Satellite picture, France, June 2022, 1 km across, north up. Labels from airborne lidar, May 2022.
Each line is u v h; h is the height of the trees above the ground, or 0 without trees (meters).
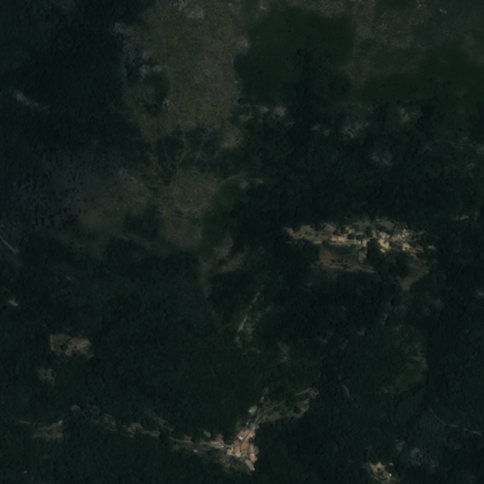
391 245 9
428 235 10
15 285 10
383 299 25
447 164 10
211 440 8
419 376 0
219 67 0
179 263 6
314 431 31
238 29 0
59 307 14
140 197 0
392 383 12
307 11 0
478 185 11
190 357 9
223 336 9
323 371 15
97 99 9
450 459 6
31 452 16
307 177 8
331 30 0
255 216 8
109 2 11
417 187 20
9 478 10
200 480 24
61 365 11
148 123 0
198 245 0
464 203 19
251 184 7
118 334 17
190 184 0
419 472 22
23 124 21
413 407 29
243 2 0
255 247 6
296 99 12
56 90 15
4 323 16
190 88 0
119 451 22
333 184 22
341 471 10
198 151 0
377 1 0
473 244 12
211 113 0
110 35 12
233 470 10
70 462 15
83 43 14
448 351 11
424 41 0
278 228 13
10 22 18
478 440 18
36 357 10
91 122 12
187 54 0
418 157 17
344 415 17
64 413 7
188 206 0
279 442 24
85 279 8
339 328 19
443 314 22
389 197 17
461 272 12
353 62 0
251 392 19
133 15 7
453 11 0
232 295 7
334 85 10
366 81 0
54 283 12
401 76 0
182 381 18
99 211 0
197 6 0
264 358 11
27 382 16
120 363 16
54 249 10
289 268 24
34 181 9
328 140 10
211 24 0
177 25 0
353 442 11
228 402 18
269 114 9
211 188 0
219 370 16
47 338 14
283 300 12
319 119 8
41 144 13
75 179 11
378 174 17
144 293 10
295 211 14
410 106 12
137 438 14
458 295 18
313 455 23
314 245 10
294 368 7
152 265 7
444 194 19
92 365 16
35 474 11
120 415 29
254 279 10
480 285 17
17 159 15
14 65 20
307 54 10
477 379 17
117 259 14
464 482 8
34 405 10
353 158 19
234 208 8
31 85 27
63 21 9
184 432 14
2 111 18
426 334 5
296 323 15
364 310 22
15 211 10
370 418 17
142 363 11
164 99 9
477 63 0
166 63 0
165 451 18
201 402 19
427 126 15
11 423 12
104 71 8
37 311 10
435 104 12
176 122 0
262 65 0
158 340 7
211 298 10
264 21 0
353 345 10
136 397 21
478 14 0
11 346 20
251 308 7
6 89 11
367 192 21
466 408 13
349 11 0
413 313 14
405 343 10
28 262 10
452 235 12
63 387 14
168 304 11
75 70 16
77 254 12
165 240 6
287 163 12
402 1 0
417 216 20
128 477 22
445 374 10
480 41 0
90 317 14
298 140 16
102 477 18
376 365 13
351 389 6
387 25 0
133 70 11
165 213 0
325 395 19
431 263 11
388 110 6
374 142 9
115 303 16
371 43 0
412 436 29
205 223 0
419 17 0
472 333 12
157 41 0
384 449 13
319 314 15
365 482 12
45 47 11
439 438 25
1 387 15
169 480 23
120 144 6
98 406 11
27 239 9
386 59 0
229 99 0
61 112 10
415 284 7
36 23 9
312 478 25
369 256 18
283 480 14
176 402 12
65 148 10
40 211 16
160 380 19
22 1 6
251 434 0
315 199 13
